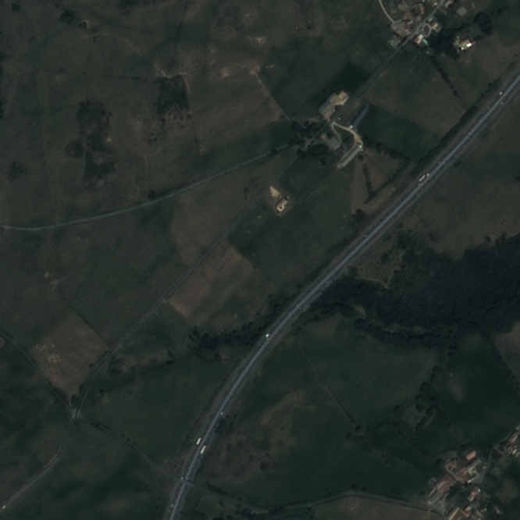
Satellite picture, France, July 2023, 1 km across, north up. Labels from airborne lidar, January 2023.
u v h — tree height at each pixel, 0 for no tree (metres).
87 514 0
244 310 0
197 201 0
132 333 0
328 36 0
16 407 0
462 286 9
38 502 0
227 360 7
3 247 0
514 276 13
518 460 0
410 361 0
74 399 11
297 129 17
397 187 0
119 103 0
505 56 0
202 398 0
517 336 0
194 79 0
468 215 0
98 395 0
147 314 0
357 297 21
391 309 14
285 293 0
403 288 9
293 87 0
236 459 0
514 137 0
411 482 0
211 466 0
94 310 0
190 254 0
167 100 6
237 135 0
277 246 0
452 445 0
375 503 0
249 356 0
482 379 0
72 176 0
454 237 0
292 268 0
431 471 0
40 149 0
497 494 0
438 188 0
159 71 0
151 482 0
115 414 0
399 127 0
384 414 0
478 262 7
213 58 0
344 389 0
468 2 0
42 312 0
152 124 0
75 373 0
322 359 0
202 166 0
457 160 0
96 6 0
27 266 0
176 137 0
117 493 0
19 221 0
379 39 0
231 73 0
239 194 0
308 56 0
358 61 0
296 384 0
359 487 9
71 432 0
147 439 0
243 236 0
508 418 0
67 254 0
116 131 0
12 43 0
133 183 0
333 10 0
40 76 0
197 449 0
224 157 0
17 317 0
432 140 0
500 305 21
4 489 0
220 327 0
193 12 0
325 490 0
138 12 0
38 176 0
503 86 0
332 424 0
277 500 0
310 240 0
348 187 0
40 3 0
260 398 0
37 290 0
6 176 0
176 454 0
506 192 0
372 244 0
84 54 0
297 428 0
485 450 0
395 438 0
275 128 0
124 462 0
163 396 0
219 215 0
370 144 17
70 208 0
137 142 0
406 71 0
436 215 0
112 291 0
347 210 0
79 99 0
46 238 0
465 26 11
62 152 0
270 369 0
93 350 0
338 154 0
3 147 0
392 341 21
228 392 0
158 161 0
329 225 0
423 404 18
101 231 0
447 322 18
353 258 0
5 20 0
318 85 0
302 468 0
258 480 0
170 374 0
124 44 0
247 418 0
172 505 0
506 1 0
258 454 0
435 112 0
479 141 0
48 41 0
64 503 0
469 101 0
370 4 0
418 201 0
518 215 0
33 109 0
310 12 0
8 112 0
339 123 0
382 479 0
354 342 0
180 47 0
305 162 0
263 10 0
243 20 0
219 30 0
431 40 12
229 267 0
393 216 0
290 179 0
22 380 0
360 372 0
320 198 0
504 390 0
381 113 0
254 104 0
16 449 0
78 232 0
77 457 0
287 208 0
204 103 0
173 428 0
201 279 0
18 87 0
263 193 0
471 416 0
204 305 0
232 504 0
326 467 0
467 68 0
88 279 0
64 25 0
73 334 0
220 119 0
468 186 0
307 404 0
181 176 0
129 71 0
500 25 0
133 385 0
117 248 0
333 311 9
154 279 0
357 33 0
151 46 0
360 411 0
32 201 0
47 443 0
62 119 0
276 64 0
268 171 0
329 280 0
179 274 0
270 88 0
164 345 0
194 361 0
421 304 9
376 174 0
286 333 0
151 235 0
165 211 0
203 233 0
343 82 0
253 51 0
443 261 5
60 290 0
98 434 0
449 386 0
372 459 0
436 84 0
